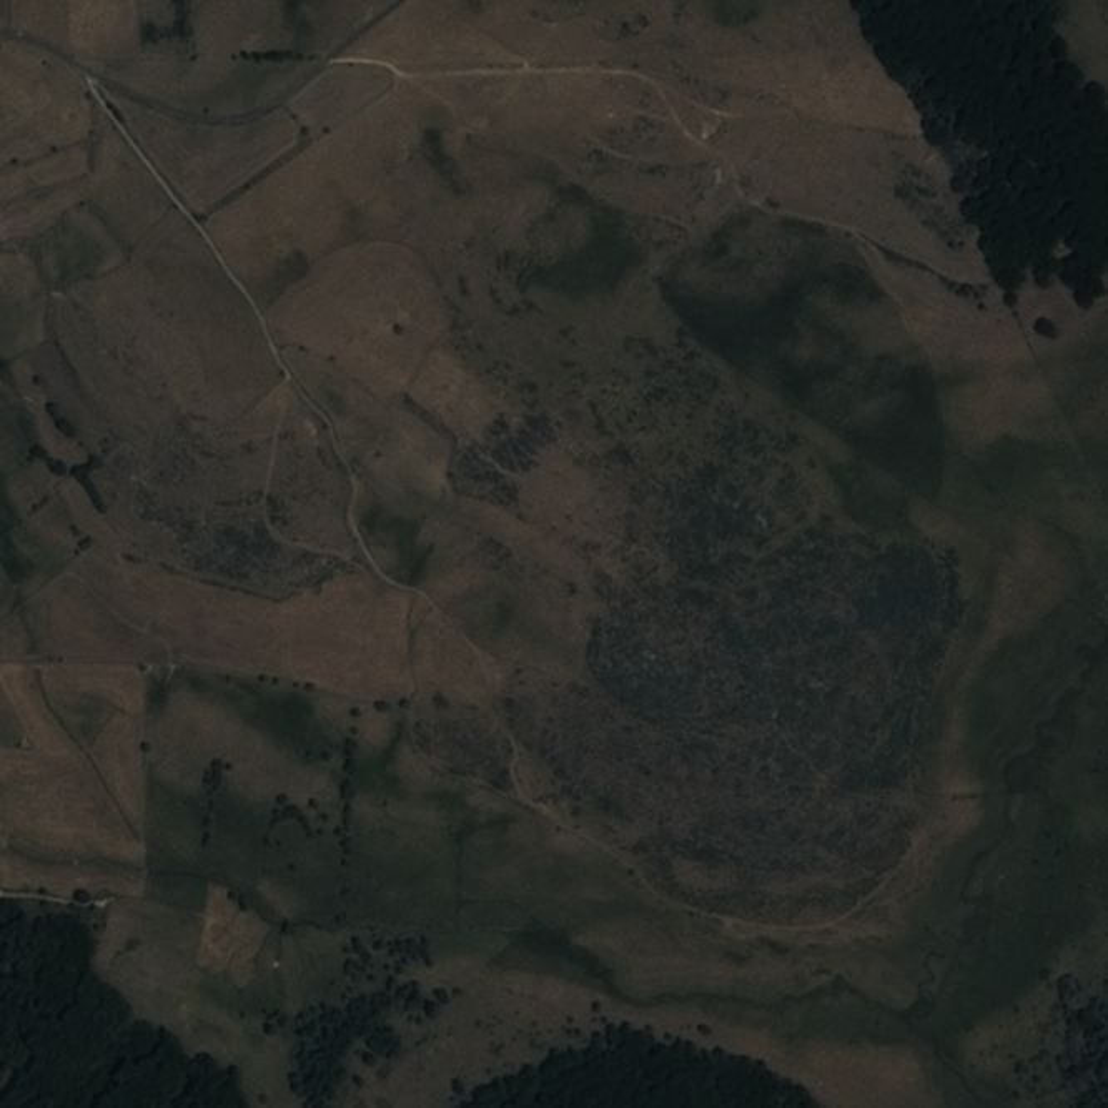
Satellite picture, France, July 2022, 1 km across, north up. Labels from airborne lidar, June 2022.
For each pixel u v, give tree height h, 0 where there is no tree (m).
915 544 0
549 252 0
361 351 0
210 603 0
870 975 0
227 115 0
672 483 0
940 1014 0
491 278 0
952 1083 0
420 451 0
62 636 0
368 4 0
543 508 0
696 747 0
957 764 0
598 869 0
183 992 0
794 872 0
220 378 0
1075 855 0
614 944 0
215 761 9
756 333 0
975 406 0
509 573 0
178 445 0
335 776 0
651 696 0
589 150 0
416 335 0
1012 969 0
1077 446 0
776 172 0
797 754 0
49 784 0
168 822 0
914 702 0
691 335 0
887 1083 0
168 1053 18
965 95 17
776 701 0
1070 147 20
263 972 0
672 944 0
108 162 0
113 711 0
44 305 0
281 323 0
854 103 0
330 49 0
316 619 0
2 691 0
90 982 16
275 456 0
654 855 0
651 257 0
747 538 0
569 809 0
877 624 0
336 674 0
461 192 0
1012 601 0
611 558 0
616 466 0
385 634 0
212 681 0
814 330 0
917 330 0
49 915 9
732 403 0
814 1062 0
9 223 0
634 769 0
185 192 0
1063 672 0
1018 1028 0
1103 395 0
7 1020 21
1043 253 15
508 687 0
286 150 0
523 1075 10
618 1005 0
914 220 0
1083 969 0
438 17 0
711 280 0
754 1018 0
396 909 0
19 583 0
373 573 0
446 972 0
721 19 0
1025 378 0
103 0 0
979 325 0
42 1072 20
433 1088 0
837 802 0
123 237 0
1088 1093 6
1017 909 0
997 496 0
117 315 0
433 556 0
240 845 0
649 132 0
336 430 0
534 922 0
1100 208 19
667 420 0
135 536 0
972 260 0
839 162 0
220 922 0
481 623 0
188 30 0
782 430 0
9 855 0
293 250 0
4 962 22
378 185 0
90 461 9
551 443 0
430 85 0
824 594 0
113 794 0
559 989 0
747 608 0
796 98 0
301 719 0
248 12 0
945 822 0
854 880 0
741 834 0
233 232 0
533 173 0
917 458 0
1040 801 0
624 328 0
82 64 0
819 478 0
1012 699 0
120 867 0
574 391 0
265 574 0
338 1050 8
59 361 0
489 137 0
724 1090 16
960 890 0
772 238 0
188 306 0
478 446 0
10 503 0
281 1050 0
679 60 0
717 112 0
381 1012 12
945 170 0
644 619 0
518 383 0
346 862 8
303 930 0
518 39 0
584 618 0
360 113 0
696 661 0
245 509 0
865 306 0
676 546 0
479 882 0
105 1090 7
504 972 0
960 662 0
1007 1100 0
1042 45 18
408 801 0
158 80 0
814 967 0
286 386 0
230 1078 16
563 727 0
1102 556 0
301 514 0
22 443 0
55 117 0
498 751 0
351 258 0
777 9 0
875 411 0
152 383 0
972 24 17
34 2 0
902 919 0
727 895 0
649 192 0
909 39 20
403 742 0
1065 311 0
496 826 0
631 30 0
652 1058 17
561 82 0
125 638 0
